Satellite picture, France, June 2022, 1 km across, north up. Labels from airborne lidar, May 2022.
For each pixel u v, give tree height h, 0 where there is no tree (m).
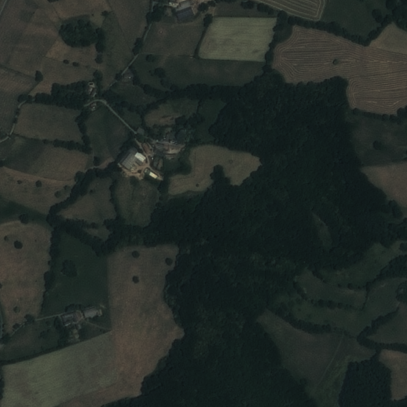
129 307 0
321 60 0
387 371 17
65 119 0
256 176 18
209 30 0
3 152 0
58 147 16
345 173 37
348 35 19
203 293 26
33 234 0
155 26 0
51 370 0
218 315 14
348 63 0
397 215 20
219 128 23
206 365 21
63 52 0
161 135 7
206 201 18
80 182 11
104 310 0
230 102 20
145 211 0
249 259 22
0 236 0
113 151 0
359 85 0
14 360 7
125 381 0
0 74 0
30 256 0
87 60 0
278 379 28
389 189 0
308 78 0
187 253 20
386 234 35
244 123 22
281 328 0
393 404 21
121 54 0
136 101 0
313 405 23
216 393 29
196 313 19
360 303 0
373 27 0
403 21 16
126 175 0
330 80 13
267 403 18
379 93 0
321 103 19
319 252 21
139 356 0
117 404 8
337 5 0
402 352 14
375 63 0
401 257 14
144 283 0
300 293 18
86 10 0
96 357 0
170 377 21
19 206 0
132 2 0
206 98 25
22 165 0
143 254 0
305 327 19
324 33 0
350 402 29
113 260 0
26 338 0
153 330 0
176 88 25
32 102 10
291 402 21
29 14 0
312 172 25
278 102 17
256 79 18
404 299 14
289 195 20
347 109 12
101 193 0
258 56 0
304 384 8
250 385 23
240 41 0
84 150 17
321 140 32
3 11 0
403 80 0
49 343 0
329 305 12
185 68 0
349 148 27
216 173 15
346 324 0
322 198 22
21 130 0
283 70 0
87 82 6
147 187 0
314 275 13
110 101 31
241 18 0
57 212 18
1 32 0
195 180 0
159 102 14
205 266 23
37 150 0
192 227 18
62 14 0
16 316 0
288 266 20
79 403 0
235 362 25
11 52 0
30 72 0
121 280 0
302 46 0
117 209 12
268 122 19
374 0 0
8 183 0
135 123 0
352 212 27
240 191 17
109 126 0
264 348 27
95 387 0
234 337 17
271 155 19
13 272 0
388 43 0
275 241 25
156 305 0
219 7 0
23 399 0
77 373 0
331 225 21
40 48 0
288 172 25
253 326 27
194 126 16
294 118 28
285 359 0
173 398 31
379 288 0
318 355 0
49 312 0
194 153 0
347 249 20
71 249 0
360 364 21
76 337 0
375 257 0
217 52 0
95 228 27
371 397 27
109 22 0
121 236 26
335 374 0
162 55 0
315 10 0
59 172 0
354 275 0
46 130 0
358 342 10
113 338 0
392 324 0
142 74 0
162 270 0
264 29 0
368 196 34
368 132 0
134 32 0
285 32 0
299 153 19
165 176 5
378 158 0
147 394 15
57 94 7
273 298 16
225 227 24
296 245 26
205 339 19
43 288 0
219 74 0
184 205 8
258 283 13
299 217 23
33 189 0
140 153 14
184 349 23
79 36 16
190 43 0
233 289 21
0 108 0
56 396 0
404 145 0
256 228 14
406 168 0
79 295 0
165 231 28
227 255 26
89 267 0
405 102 0
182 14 0
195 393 24
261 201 20
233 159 0
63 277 0
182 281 21
